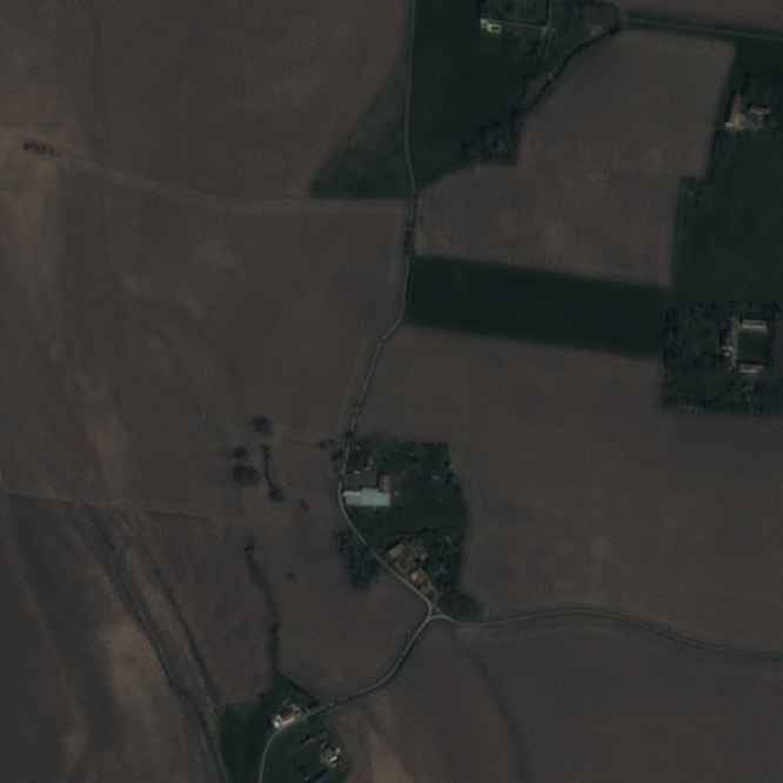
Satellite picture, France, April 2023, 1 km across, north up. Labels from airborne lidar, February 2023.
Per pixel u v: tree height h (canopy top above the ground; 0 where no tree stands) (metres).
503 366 0
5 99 0
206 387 0
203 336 0
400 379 0
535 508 0
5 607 0
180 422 0
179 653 0
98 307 0
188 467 0
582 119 0
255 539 0
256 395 0
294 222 0
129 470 0
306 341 0
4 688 0
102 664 0
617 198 0
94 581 0
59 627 0
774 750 0
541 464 0
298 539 0
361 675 0
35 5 0
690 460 0
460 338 0
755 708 0
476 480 0
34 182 0
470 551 0
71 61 0
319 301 0
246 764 0
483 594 0
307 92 0
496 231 0
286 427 0
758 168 0
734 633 0
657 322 0
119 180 0
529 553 0
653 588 0
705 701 0
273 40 0
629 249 0
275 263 0
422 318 0
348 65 0
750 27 0
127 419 0
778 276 0
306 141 0
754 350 0
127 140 0
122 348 0
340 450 15
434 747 0
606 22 29
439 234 0
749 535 0
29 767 0
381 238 0
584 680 0
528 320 0
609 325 0
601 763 0
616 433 0
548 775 0
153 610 0
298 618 0
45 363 0
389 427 0
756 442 0
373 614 0
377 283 0
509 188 0
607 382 0
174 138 0
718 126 0
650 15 0
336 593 0
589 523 0
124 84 0
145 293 0
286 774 0
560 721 0
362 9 0
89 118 0
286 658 0
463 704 0
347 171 0
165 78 0
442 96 0
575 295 0
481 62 0
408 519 0
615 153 0
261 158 0
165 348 0
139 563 0
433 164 0
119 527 0
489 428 0
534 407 0
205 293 0
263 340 0
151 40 0
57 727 0
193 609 0
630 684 0
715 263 0
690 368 9
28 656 0
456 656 0
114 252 0
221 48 0
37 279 0
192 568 0
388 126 0
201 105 0
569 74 0
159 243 0
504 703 0
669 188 0
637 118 0
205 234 0
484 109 0
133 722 0
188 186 0
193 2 0
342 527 0
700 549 0
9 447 0
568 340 0
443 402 0
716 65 0
